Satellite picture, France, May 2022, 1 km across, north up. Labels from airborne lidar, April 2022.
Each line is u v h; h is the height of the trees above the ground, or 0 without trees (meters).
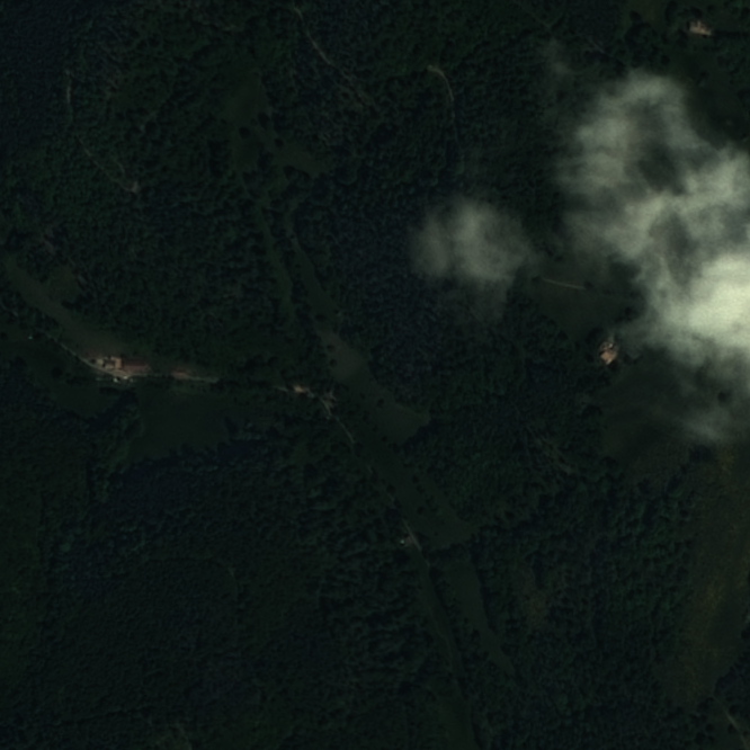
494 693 20
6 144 19
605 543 14
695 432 0
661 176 11
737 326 18
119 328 20
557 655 27
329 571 21
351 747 12
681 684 0
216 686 31
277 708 14
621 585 15
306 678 11
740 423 0
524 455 21
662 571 10
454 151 21
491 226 12
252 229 32
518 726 21
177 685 16
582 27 22
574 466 12
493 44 13
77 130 16
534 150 9
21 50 23
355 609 31
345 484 33
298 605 15
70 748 16
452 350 15
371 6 23
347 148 28
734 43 24
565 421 17
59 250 26
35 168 24
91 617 25
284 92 30
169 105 20
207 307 28
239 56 33
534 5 16
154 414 0
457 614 24
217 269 11
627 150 11
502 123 12
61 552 36
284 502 23
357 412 14
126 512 24
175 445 0
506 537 32
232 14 17
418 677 36
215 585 21
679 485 14
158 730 16
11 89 23
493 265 21
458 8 13
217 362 24
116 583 25
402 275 31
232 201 15
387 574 24
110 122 9
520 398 23
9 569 24
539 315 13
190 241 26
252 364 21
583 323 0
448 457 24
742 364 15
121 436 26
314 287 0
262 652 19
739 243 35
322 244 26
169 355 23
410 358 28
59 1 22
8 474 22
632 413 0
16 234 12
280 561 25
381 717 13
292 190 17
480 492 21
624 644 16
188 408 0
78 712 20
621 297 10
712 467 0
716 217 20
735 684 18
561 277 0
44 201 29
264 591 26
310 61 31
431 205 27
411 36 19
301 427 18
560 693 27
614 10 22
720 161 28
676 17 20
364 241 27
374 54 19
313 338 31
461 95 13
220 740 22
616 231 0
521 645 23
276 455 29
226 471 23
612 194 11
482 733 23
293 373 15
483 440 22
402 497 0
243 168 0
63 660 26
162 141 26
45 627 28
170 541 27
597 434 25
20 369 15
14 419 18
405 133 20
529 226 17
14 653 22
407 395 22
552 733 19
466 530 0
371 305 26
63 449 19
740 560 0
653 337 0
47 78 20
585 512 25
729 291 27
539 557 18
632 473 0
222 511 24
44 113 18
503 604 13
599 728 23
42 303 0
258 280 39
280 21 35
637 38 23
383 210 20
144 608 23
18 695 20
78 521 26
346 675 19
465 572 0
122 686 22
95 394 0
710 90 0
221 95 31
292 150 0
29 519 19
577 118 13
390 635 22
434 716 26
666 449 0
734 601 0
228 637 25
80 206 22
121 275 25
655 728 21
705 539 0
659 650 9
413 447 18
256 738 15
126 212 17
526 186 6
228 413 0
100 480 34
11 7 30
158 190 21
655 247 0
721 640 0
